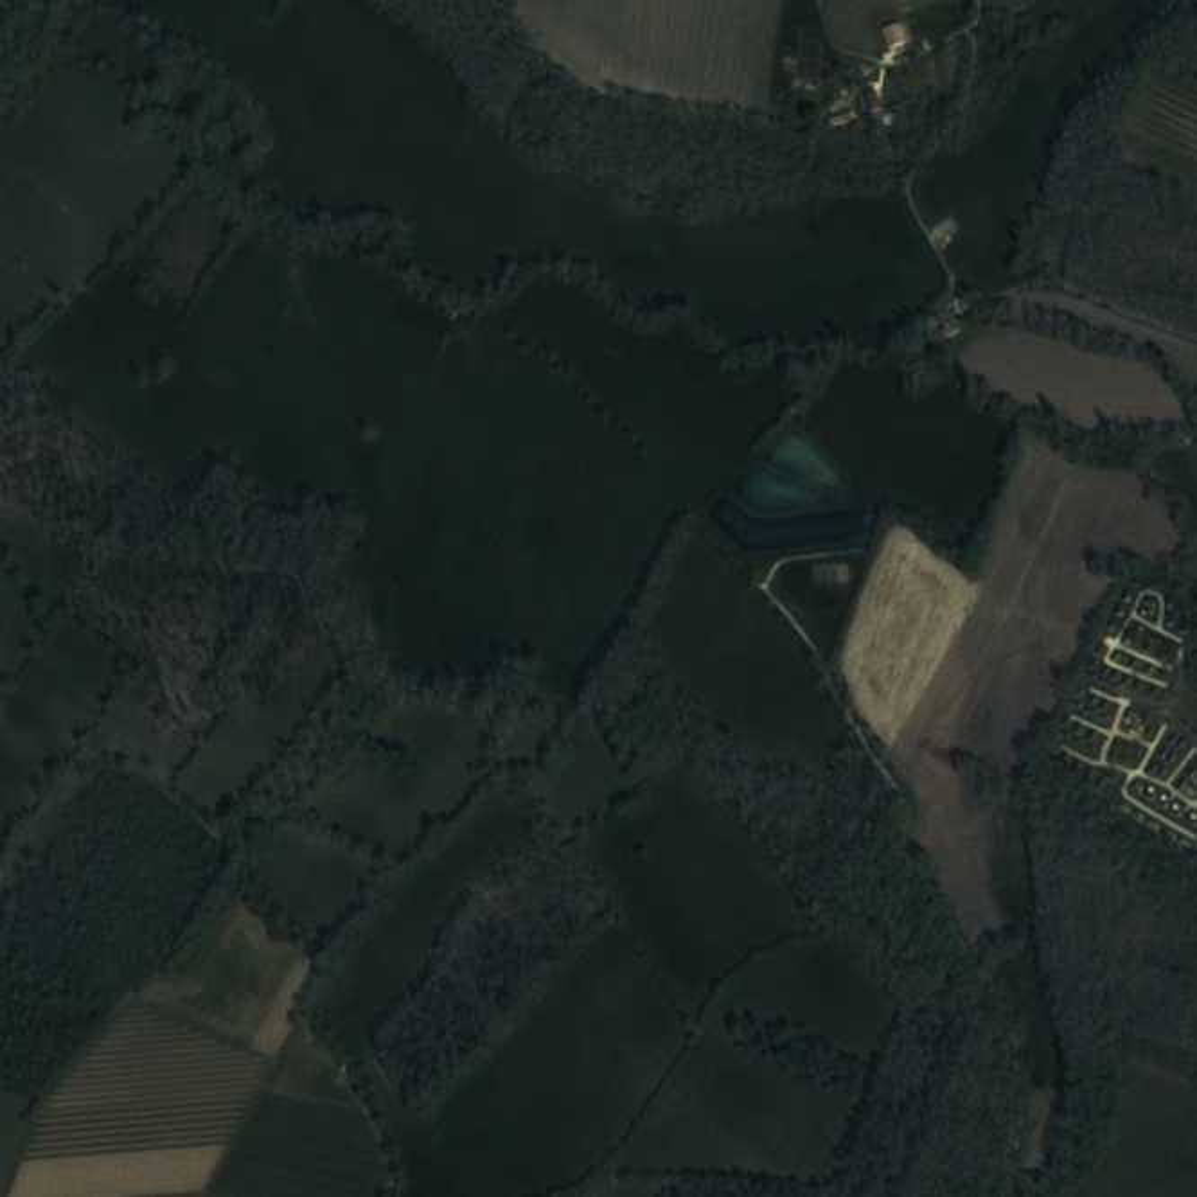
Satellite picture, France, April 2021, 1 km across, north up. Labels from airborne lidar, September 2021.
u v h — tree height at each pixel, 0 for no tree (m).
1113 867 15
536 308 0
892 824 23
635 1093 0
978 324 10
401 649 0
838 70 10
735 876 0
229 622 17
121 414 0
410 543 0
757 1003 0
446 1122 0
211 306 0
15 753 0
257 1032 0
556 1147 0
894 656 0
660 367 0
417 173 0
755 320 0
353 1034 0
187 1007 0
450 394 0
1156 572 12
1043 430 13
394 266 20
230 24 0
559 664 0
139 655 15
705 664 0
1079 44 0
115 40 0
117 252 17
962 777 12
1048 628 0
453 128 0
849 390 0
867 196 17
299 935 12
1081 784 27
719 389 0
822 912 21
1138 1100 0
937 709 0
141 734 0
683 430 0
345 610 18
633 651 23
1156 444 17
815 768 0
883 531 0
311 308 0
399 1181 16
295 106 0
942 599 0
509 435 0
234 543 20
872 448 0
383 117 0
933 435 0
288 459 0
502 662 20
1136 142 0
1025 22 13
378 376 0
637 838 0
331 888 0
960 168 0
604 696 25
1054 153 20
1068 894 17
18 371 11
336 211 0
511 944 20
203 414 0
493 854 0
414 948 0
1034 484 0
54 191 0
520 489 0
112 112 0
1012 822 0
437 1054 20
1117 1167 0
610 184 16
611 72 0
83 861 8
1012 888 0
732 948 0
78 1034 7
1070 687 24
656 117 21
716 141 19
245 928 0
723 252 0
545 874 20
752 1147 0
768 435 10
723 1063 0
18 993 12
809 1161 0
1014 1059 21
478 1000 18
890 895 26
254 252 0
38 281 0
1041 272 6
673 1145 0
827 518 0
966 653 0
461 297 18
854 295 0
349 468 0
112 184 0
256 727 0
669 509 0
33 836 0
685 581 0
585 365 0
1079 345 19
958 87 9
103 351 0
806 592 0
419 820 0
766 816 20
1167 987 18
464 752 0
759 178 23
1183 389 11
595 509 0
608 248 0
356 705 24
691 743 25
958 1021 12
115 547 13
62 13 30
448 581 0
